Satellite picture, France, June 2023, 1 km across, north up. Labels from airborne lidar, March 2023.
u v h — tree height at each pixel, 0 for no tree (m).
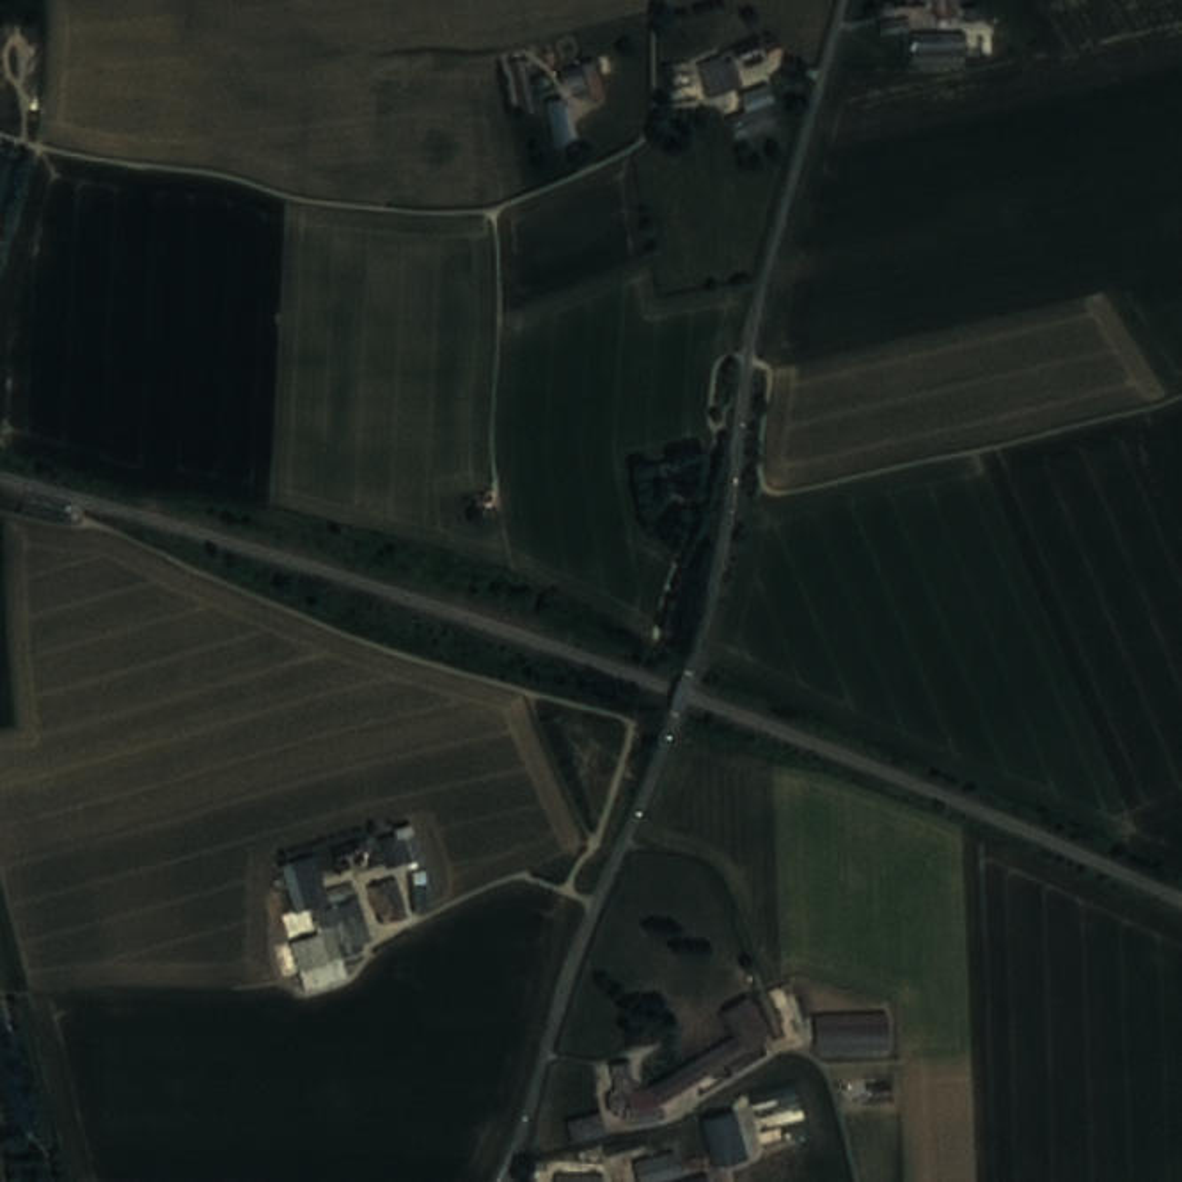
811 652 0
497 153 0
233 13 0
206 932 0
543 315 0
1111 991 0
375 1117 0
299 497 0
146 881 0
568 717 0
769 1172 0
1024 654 0
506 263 0
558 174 0
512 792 0
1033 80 0
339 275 0
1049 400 0
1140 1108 0
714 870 0
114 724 0
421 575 0
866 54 0
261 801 0
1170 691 0
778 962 0
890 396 0
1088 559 0
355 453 0
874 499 0
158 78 0
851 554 0
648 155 0
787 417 0
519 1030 0
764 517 0
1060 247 0
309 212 0
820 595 0
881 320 0
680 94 0
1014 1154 0
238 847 0
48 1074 0
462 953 0
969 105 0
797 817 0
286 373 0
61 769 0
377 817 0
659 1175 0
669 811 0
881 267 0
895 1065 0
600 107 0
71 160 0
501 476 0
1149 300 0
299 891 0
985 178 0
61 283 0
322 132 0
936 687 0
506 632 0
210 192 0
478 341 0
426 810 0
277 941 0
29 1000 0
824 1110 0
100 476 0
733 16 0
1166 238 0
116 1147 0
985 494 0
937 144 0
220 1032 0
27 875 0
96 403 0
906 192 0
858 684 0
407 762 0
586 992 0
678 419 0
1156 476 0
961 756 0
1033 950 0
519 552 0
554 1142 0
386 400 0
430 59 0
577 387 0
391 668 0
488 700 0
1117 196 0
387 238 0
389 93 0
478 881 0
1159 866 6
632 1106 0
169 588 0
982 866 0
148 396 0
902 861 0
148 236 0
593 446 0
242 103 0
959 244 0
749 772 0
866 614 0
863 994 0
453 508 0
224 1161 0
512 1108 0
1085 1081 0
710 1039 0
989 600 0
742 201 0
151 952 0
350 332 0
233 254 0
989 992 0
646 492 19
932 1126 0
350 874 0
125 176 0
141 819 0
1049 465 0
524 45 0
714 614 0
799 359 0
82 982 0
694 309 0
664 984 0
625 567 0
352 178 0
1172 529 0
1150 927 0
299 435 0
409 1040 0
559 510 0
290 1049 0
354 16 0
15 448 0
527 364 0
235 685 0
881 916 0
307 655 0
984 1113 0
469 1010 0
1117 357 0
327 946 0
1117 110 0
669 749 0
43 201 0
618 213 0
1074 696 0
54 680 0
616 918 0
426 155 0
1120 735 0
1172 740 0
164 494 0
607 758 0
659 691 0
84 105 0
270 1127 0
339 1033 0
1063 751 0
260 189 0
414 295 0
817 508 0
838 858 0
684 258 0
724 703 0
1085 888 0
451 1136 0
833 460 0
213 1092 0
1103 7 0
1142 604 0
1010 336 0
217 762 0
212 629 0
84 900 0
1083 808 0
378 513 0
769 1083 0
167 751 0
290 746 0
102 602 0
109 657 0
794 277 0
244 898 0
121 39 0
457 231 0
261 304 0
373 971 0
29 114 0
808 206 0
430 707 0
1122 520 0
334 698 0
